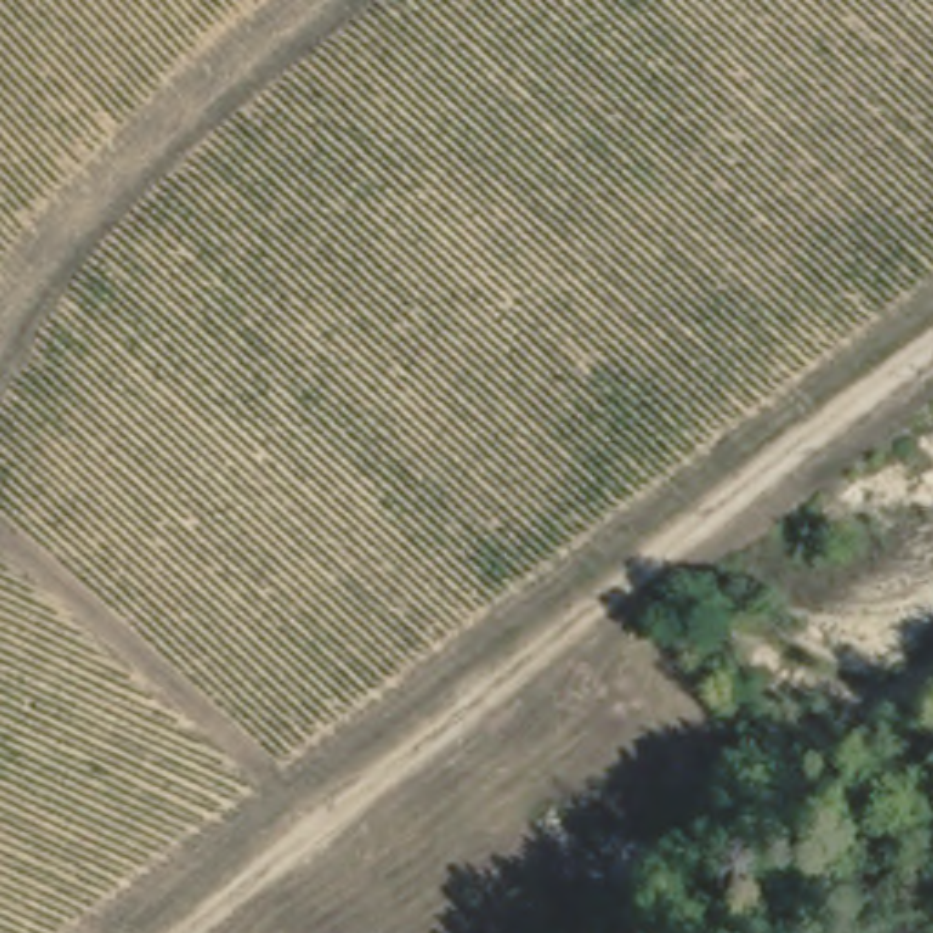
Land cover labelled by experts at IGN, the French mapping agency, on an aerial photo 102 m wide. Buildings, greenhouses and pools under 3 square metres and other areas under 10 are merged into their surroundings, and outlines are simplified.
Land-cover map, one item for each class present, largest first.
<instances>
[{"label":"vineyard","instance_id":"1","mask_svg":"<svg viewBox=\"0 0 933 933\"><path fill-rule=\"evenodd\" d=\"M237 0H0V266L18 255L29 230L36 233L44 211L58 204V193L69 182H77V175H87V168L113 146L117 131L160 98V73L186 47H193L197 33L219 18V11H226ZM244 117L222 138L211 131L182 153V160L171 168L175 182L164 190V197L109 244V251L98 259L95 273L77 288V295H66L58 302V321L47 335L44 357L36 361V368H29L0 423V510L22 521V528L36 536L44 547H51L58 561L69 572H77L80 583H87L106 605L131 612L138 634L160 656L186 671L197 689L215 692L219 707H226L251 736H259L266 754H277V769H292L299 765V758L313 754L317 743L335 736V729L361 722L372 703L401 689L408 674L419 671L426 660H434L445 649H456V641L467 631L485 623L488 616H503L518 598H525V590L536 579L565 576L598 532L649 503L678 474L703 463L722 437L758 419L765 408H776L798 383L831 364L838 354L864 343L878 324L900 317L915 299H922L933 288V0H386L343 44L324 47L295 77H288L281 91H255L241 106ZM84 612H77L55 590L33 594L29 583L11 576L7 558H0V933H73L77 915H106L135 886V878L153 871L160 860L175 856L186 838L200 835L208 824H219L233 805L251 798V791L248 784L226 773L237 769V758H219L197 740L193 718L182 707H164V700H153L146 692L153 678L142 667L131 674L117 671L95 645H87L80 627Z\"/></svg>","mask_w":933,"mask_h":933},{"label":"herbaceous vegetation","instance_id":"2","mask_svg":"<svg viewBox=\"0 0 933 933\"><path fill-rule=\"evenodd\" d=\"M386 0H237L226 11H219V18L197 33L193 47H186L160 73V98L117 131L113 146L87 168V175H77V182H69L58 193V204L44 211L36 233L29 230L18 255L0 266V423L29 368H36V361L44 357L47 335L58 321V302L66 295H77V288L95 273L98 259L109 251V244L164 197V190L175 182L171 168L182 160V153L211 131L222 138L244 117L241 106L255 91H281L288 77H295L324 47L343 44ZM922 335L933 339V288L922 299H915L900 317L878 324L864 343L838 354L831 364L798 383L776 408H765L758 419L722 437L703 463L678 474L649 503L598 532L565 576L536 579L525 590V598H518L503 616H488L485 623L467 631L456 641V649H445L434 660H426L419 671L408 674L401 689L372 703L361 722L335 729V736L317 743L313 754L299 758V765L292 769H277V754H266L259 736H251L226 707H219L215 692L197 689L186 671L160 656L138 634L131 612L106 605L87 583H80L77 572H69L58 561L51 547H44L36 536L22 528V521L0 510V558H7L11 576L29 583L33 594L55 590L77 612H84L80 627L87 645H95L117 671L131 674L142 667L153 678L146 692L153 700H164V707H182L193 718L197 740L219 758H237V769L226 773L248 784L251 791V798L233 805L219 824H208L200 835L186 838L175 856L160 860L153 871L135 878V886L106 915H77L73 933H164L179 918H186L204 897H211L230 875H237L255 853H262L277 835H284L302 813H313L324 798H335L343 787L357 780L364 765L390 751L401 736H408L423 718L437 714L467 678L510 656L528 634L550 623L558 612H565L576 598H583V590L598 576L623 572L634 558H641L645 539L663 532L682 514H689L725 477L743 470L754 456H762L798 423L813 419L831 397L871 375L897 350ZM849 510H856L853 518L864 547L849 565H835L824 554V525L827 518H842ZM674 576H711L722 587L729 612L736 616L733 645L754 667H765L776 682L824 685L831 696L846 703L860 696L875 711L882 700L889 703L904 689H915V682H926L933 689V364L918 379L897 386L882 405L853 419L835 441L809 452L802 467L784 474L769 492L743 507L718 536L700 543L685 561H663L638 587L605 594V616L576 645L558 652L518 692L496 703L463 740L448 743L423 769H415L397 787L379 795L324 849H317L306 864L281 875L270 889L244 900L211 933H550L565 915L609 904L631 875H641V860L656 849V842L678 831V820L703 816L711 802L714 769L725 758V751L700 725L703 714L714 711L703 692V682L711 674L700 663H689L678 649H652V641L641 638L649 627L645 612L660 601V590Z\"/></svg>","mask_w":933,"mask_h":933},{"label":"deciduous trees","instance_id":"3","mask_svg":"<svg viewBox=\"0 0 933 933\"><path fill-rule=\"evenodd\" d=\"M856 510H849L842 518H827L824 525V554L835 565H849L864 547L853 518ZM649 627L641 638L652 641V649H678L689 663H700L711 674L703 682V692L714 711L703 714L700 725L725 751V758L714 769L711 802L703 816L678 820V831L656 842V849L641 860V875H631L609 904L565 915L550 933H722L718 926L733 911V853L769 849L773 838L802 846L813 824L809 798L824 795L827 787L846 795L856 842L846 853H838L835 864H827L820 875H835L842 889H860V933H933V689L926 682H915V689H904L889 703L882 700L875 711L860 696L846 703L831 696L824 685L776 682L765 667H754L733 645L736 616L729 612L722 587L711 576H674L660 590V601L645 612ZM835 911L827 900H820L816 907H798V933H831Z\"/></svg>","mask_w":933,"mask_h":933},{"label":"pervious surface","instance_id":"4","mask_svg":"<svg viewBox=\"0 0 933 933\"><path fill-rule=\"evenodd\" d=\"M933 364V339L922 335L897 350L871 375L831 397L813 419L798 423L762 456H754L743 470L725 477L689 514H682L663 532L645 539L641 558H634L623 572L598 576L583 590V598H576L565 612H558L550 623L528 634L510 656L467 678L437 714L423 718L408 736H401L390 751L364 765L357 780L343 787L335 798H324L313 813H302L284 835H277L262 853H255L237 875H230L211 897H204L186 918H179L164 933H211L244 900L270 889L281 875L306 864L317 849H324L379 795L397 787L415 769H423L448 743L463 740L496 703L518 692L558 652L576 645L605 616V594L638 587L663 561H685L700 543L718 536L743 507L769 492L784 474L802 467L809 452L835 441L853 419L882 405L897 386L918 379Z\"/></svg>","mask_w":933,"mask_h":933},{"label":"coniferous trees","instance_id":"5","mask_svg":"<svg viewBox=\"0 0 933 933\"><path fill-rule=\"evenodd\" d=\"M813 824L802 846L773 838L769 849L733 853V911L718 926L722 933H798V907H816L820 900H827L835 911L831 933H860V889H842L835 875H820L827 864H835L838 853H846L856 842L846 795L827 787L824 795L809 798Z\"/></svg>","mask_w":933,"mask_h":933}]
</instances>
